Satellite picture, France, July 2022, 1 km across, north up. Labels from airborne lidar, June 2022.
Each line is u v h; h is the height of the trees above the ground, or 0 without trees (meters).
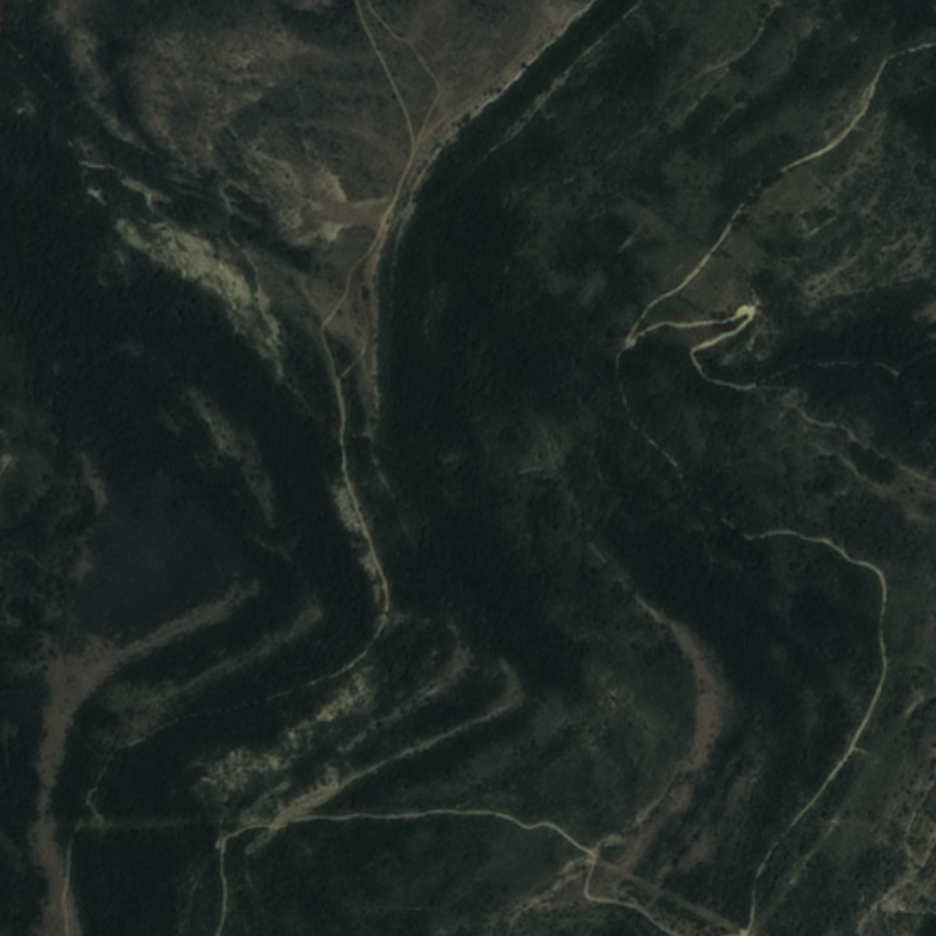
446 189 11
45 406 6
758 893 10
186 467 6
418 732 7
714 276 0
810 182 0
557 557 6
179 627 0
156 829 10
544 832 0
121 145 5
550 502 10
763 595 6
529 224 6
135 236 0
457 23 0
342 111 0
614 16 8
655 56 11
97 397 7
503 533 13
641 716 0
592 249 6
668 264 0
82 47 0
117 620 0
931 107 11
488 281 15
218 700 7
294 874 7
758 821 8
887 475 6
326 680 5
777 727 8
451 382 9
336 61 0
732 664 9
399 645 9
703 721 0
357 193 0
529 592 11
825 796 5
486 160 13
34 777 6
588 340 6
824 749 7
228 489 6
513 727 8
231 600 0
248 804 8
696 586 16
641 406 10
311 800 0
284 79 0
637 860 0
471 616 9
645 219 0
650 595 9
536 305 7
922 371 5
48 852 0
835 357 8
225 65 0
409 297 13
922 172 9
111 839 11
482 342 9
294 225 0
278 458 10
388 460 6
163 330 12
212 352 8
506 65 0
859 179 7
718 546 10
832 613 10
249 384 8
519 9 0
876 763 0
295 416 9
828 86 7
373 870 7
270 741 7
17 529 7
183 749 9
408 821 7
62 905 0
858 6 9
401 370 14
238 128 0
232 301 0
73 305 15
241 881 6
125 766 7
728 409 8
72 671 0
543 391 9
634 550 12
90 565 0
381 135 0
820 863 7
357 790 12
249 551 6
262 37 0
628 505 11
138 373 6
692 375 9
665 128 8
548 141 11
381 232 0
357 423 9
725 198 8
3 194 8
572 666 6
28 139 8
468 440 8
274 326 0
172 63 0
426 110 0
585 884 0
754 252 0
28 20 8
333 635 9
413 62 0
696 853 0
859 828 0
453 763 7
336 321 0
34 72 7
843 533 5
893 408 7
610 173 6
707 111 9
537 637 9
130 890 14
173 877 5
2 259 7
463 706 9
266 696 10
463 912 8
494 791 6
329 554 14
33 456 0
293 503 10
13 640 8
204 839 9
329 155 0
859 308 6
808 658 10
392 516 6
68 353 7
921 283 6
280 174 0
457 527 14
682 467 7
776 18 9
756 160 6
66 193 10
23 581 6
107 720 8
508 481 6
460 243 14
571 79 8
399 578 7
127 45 6
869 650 8
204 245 0
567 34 12
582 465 7
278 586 7
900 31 8
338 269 0
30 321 8
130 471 6
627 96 10
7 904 7
